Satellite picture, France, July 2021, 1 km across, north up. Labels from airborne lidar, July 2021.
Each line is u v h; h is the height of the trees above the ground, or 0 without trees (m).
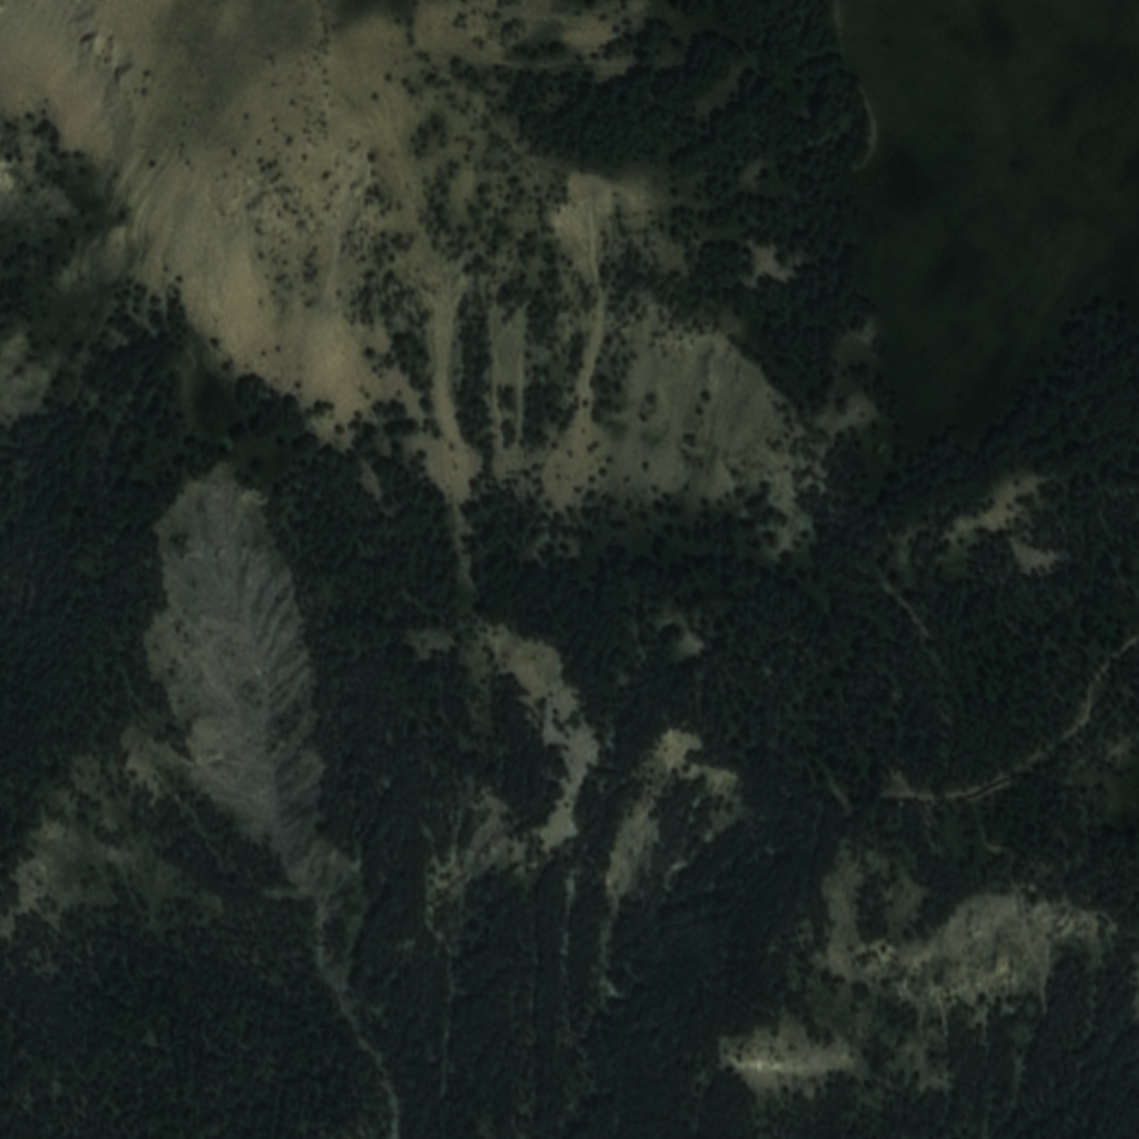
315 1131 16
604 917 12
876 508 13
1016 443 22
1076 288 0
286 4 0
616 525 7
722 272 18
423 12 0
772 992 9
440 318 0
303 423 13
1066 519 21
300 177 0
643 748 9
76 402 6
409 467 9
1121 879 15
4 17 0
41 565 10
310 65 0
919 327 0
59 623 14
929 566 10
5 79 0
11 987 12
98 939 9
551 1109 11
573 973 12
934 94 0
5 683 18
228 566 0
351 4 0
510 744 13
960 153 0
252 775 0
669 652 21
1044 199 0
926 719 18
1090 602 25
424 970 10
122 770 9
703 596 23
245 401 14
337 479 16
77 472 19
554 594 22
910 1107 13
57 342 7
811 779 20
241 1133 22
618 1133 15
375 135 0
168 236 0
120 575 14
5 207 0
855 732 16
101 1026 17
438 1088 13
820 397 15
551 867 10
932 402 0
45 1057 16
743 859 11
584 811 12
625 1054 12
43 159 9
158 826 8
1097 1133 14
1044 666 22
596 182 0
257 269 0
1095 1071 14
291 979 13
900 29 0
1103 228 0
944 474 18
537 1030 13
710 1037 11
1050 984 9
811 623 25
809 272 12
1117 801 0
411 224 0
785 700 12
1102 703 11
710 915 14
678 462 0
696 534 8
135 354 15
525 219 0
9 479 19
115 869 7
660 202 0
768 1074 0
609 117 19
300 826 0
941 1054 10
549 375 13
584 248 0
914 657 17
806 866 10
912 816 12
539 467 6
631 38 20
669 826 12
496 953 12
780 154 23
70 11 0
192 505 0
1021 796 14
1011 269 0
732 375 0
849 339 0
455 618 12
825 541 19
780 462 0
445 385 0
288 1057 16
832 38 16
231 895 10
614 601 19
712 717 12
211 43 0
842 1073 9
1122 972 11
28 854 12
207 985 16
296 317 0
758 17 19
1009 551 14
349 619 19
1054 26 0
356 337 0
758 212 9
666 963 15
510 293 9
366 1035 8
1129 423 18
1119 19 0
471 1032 13
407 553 20
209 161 0
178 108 0
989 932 0
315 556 7
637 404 0
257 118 0
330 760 9
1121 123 0
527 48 10
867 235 0
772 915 10
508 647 0
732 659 23
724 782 0
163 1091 14
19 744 19
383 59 0
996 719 25
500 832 0
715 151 18
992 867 12
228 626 0
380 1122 16
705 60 19
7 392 0
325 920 0
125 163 0
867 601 12
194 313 0
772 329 13
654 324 0
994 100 0
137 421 11
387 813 13
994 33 0
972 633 24
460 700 16
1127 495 11
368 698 13
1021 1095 10
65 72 0
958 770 20
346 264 0
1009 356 0
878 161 0
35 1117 13
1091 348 15
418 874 12
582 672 10
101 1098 22
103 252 0
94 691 16
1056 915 0
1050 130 0
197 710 0
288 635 0
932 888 11
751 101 23
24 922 14
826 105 20
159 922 7
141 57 0
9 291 7
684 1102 11
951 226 0
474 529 11
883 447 0
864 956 8
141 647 14
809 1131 12
